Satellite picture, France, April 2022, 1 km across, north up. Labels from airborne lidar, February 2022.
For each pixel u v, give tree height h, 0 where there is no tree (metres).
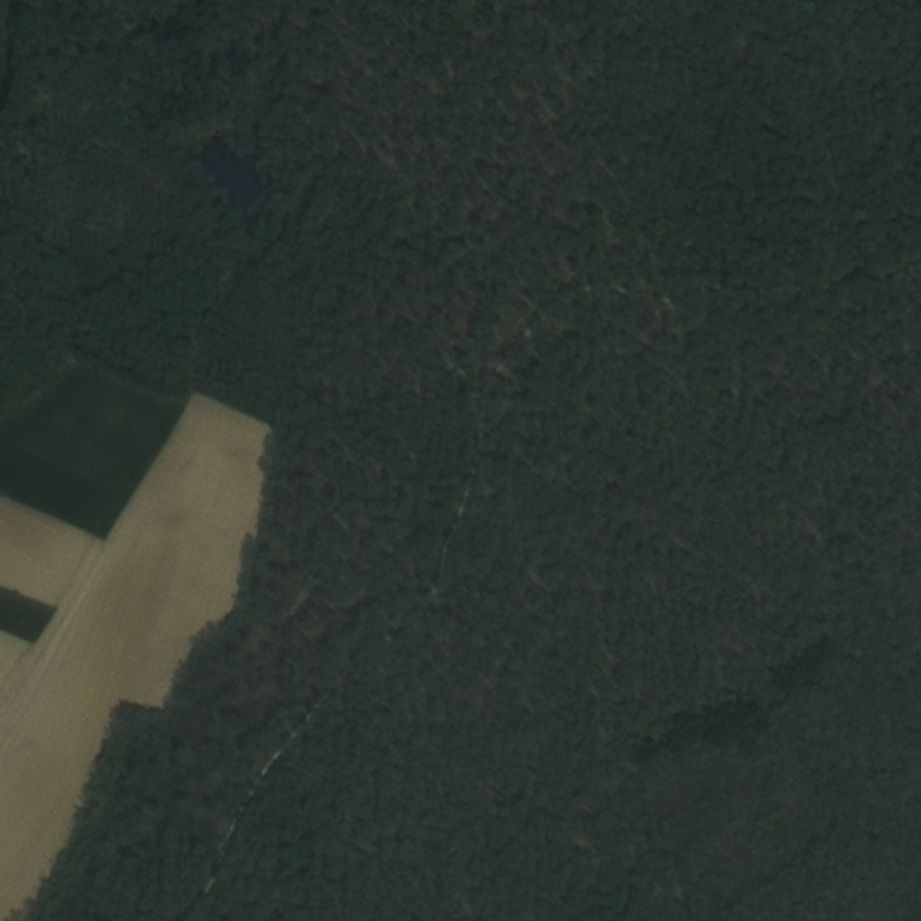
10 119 25
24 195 22
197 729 0
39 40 29
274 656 25
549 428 21
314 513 28
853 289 24
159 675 0
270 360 22
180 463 0
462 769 25
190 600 0
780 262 14
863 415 25
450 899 31
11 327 33
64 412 0
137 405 0
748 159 27
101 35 28
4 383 34
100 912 22
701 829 16
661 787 16
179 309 26
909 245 18
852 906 26
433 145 24
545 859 31
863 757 30
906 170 28
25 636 0
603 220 30
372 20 27
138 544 0
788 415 28
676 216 27
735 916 29
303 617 0
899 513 27
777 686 28
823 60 27
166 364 26
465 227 29
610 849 33
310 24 29
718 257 27
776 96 28
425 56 27
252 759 26
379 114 27
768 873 16
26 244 32
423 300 28
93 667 0
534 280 27
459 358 19
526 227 25
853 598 27
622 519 27
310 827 11
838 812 30
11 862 0
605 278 27
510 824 28
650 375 28
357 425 27
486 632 26
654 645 27
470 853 29
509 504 26
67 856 9
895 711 31
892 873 29
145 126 20
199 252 28
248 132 19
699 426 24
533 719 25
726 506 28
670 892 31
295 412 24
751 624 29
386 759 23
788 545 26
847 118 27
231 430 0
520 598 30
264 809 23
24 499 0
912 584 31
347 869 28
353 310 27
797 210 25
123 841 21
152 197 21
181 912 29
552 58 30
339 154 30
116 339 28
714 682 28
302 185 27
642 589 29
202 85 27
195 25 28
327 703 25
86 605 0
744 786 15
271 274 27
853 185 29
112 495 0
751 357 23
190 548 0
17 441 0
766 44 29
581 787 26
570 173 26
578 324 27
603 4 29
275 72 19
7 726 0
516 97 22
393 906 29
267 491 14
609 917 28
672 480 19
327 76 25
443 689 28
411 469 25
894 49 26
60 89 29
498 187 30
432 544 24
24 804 0
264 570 26
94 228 21
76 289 27
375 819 25
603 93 27
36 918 24
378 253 30
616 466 24
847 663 32
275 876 21
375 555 27
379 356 30
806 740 29
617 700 29
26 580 0
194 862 24
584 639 27
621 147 31
